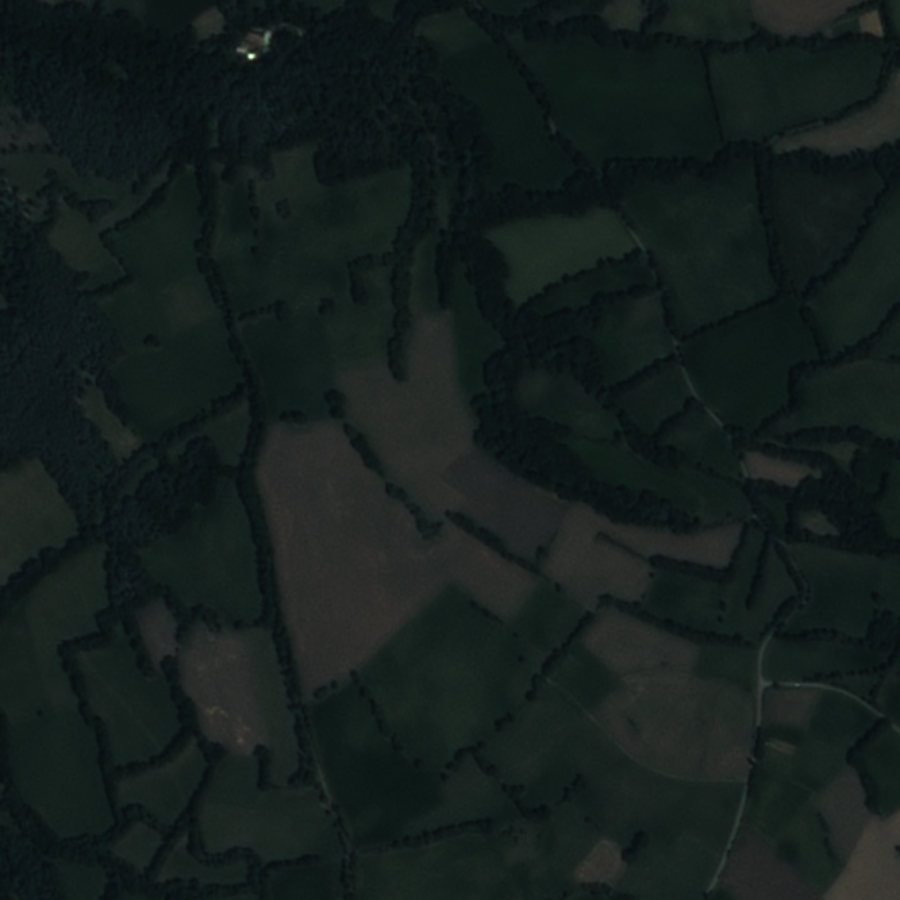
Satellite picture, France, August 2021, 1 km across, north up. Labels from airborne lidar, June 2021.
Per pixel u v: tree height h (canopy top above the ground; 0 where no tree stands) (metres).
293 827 0
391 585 0
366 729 0
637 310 0
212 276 10
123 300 0
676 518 15
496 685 0
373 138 12
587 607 0
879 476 0
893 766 0
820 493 15
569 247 0
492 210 25
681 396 0
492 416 13
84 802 0
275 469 0
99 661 0
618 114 0
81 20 20
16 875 26
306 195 0
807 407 14
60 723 0
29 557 0
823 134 0
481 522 0
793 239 0
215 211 16
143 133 23
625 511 19
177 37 7
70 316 20
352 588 0
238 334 9
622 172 21
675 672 0
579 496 15
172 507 14
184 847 0
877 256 0
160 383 0
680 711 0
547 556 14
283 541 0
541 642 0
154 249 0
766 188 15
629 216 10
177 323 0
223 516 0
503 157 0
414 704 0
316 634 0
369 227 0
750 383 0
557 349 14
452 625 0
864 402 0
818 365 11
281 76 22
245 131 17
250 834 0
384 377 0
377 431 0
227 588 0
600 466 0
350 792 0
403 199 0
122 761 0
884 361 0
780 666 0
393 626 0
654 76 0
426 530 11
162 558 0
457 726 0
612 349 0
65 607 0
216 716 0
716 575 17
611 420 0
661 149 0
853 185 0
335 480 0
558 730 0
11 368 13
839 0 0
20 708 0
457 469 0
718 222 0
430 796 0
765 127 0
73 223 0
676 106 0
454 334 0
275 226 0
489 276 26
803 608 8
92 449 23
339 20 21
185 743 14
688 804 0
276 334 0
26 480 0
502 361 20
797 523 12
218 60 16
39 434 25
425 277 0
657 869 0
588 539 0
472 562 0
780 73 0
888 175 16
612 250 0
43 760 0
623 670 0
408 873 0
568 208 22
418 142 22
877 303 0
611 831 0
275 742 0
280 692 0
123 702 0
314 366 0
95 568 0
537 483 16
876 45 15
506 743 0
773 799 0
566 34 19
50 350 24
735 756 0
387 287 0
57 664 0
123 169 18
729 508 0
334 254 0
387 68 24
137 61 15
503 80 0
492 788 0
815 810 0
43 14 19
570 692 0
